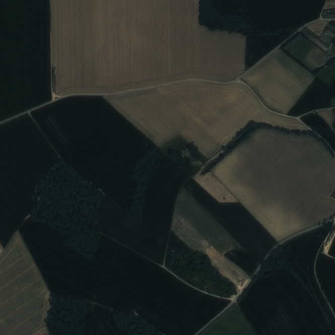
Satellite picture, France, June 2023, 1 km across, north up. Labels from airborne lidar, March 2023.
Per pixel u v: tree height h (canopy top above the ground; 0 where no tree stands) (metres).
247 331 0
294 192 0
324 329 0
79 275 0
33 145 0
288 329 0
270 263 12
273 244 0
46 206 22
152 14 0
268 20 0
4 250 0
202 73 0
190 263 9
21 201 0
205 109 0
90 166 0
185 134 0
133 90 0
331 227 11
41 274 0
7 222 0
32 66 0
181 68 0
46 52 0
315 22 0
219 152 0
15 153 0
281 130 7
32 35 0
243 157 0
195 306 0
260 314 0
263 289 0
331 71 0
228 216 0
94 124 0
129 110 0
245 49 0
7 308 0
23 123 0
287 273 0
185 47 0
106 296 0
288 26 0
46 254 0
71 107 0
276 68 0
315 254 0
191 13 0
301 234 0
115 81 0
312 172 0
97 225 0
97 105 0
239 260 0
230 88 0
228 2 0
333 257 0
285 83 0
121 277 0
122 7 0
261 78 0
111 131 0
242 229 0
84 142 0
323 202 0
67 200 26
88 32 0
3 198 0
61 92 0
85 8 0
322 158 0
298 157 0
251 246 0
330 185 0
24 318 0
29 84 0
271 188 0
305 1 0
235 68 0
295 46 0
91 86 0
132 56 0
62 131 0
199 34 0
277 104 0
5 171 0
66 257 0
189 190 0
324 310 0
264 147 0
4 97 0
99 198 20
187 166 35
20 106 0
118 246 0
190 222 0
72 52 0
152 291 0
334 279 0
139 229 0
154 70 0
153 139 0
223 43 0
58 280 0
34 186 0
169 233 0
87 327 0
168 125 0
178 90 0
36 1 0
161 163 0
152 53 0
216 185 0
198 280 0
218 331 0
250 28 13
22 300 0
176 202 0
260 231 0
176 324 0
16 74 0
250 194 0
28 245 0
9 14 0
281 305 0
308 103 0
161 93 0
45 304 0
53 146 0
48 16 0
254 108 0
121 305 0
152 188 0
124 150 0
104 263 0
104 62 0
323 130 0
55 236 0
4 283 0
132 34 0
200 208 0
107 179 0
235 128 0
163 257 0
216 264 0
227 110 0
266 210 0
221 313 0
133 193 15
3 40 0
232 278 0
